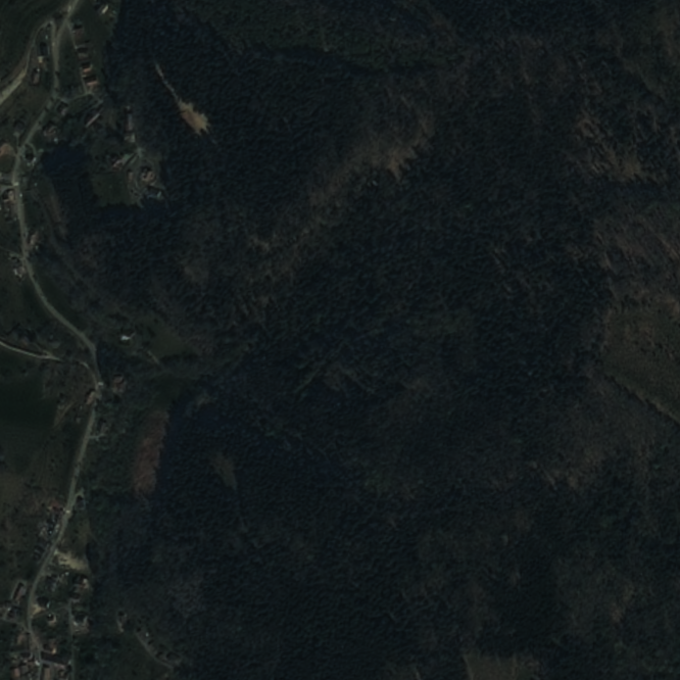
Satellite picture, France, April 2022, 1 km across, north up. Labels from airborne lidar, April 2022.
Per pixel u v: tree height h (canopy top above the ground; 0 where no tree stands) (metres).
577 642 27
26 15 0
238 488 0
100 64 0
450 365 23
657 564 31
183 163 31
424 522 17
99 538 22
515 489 21
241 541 27
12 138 0
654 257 34
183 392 0
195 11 8
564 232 32
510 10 20
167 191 19
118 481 7
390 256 30
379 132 13
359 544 30
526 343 31
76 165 29
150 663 0
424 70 23
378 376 9
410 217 15
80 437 0
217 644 25
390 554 32
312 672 28
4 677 0
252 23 12
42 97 0
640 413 28
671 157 37
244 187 21
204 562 28
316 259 29
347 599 30
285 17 12
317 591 34
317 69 20
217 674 30
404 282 28
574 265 27
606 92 35
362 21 28
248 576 32
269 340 35
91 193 27
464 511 15
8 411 0
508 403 20
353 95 18
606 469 29
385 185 33
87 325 0
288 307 29
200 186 28
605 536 26
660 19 20
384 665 30
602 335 15
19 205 0
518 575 14
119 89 22
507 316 29
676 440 29
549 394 24
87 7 0
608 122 33
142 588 27
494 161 27
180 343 0
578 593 22
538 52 25
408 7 7
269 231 19
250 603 27
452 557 14
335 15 25
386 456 24
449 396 16
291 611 29
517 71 25
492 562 14
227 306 25
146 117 23
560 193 29
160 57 25
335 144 18
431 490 27
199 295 20
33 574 8
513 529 10
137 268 28
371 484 24
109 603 24
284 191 21
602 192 26
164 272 27
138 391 25
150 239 33
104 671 24
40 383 0
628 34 19
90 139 5
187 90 20
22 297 0
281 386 18
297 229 18
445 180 27
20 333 18
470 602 19
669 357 14
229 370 21
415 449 23
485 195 25
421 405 18
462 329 17
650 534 21
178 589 28
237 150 20
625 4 22
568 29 23
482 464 18
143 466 0
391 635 32
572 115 26
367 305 35
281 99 23
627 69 20
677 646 31
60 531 0
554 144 29
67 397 9
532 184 21
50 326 8
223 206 29
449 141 28
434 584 14
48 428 0
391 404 14
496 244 28
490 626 14
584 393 24
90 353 14
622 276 9
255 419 34
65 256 22
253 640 27
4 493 0
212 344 25
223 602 25
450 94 21
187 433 33
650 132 44
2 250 0
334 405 21
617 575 22
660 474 27
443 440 24
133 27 27
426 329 30
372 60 10
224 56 19
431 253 26
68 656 17
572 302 24
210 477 30
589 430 22
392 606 25
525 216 28
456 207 18
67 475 0
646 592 24
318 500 28
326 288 36
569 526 20
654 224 33
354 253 26
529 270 27
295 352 8
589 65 26
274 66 20
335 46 8
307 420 18
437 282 28
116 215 28
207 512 28
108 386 18
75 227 26
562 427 25
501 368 28
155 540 25
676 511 20
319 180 22
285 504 25
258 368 25
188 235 28
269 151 27
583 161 26
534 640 17
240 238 17
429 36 25
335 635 29
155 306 24
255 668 29
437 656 23
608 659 30
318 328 22
